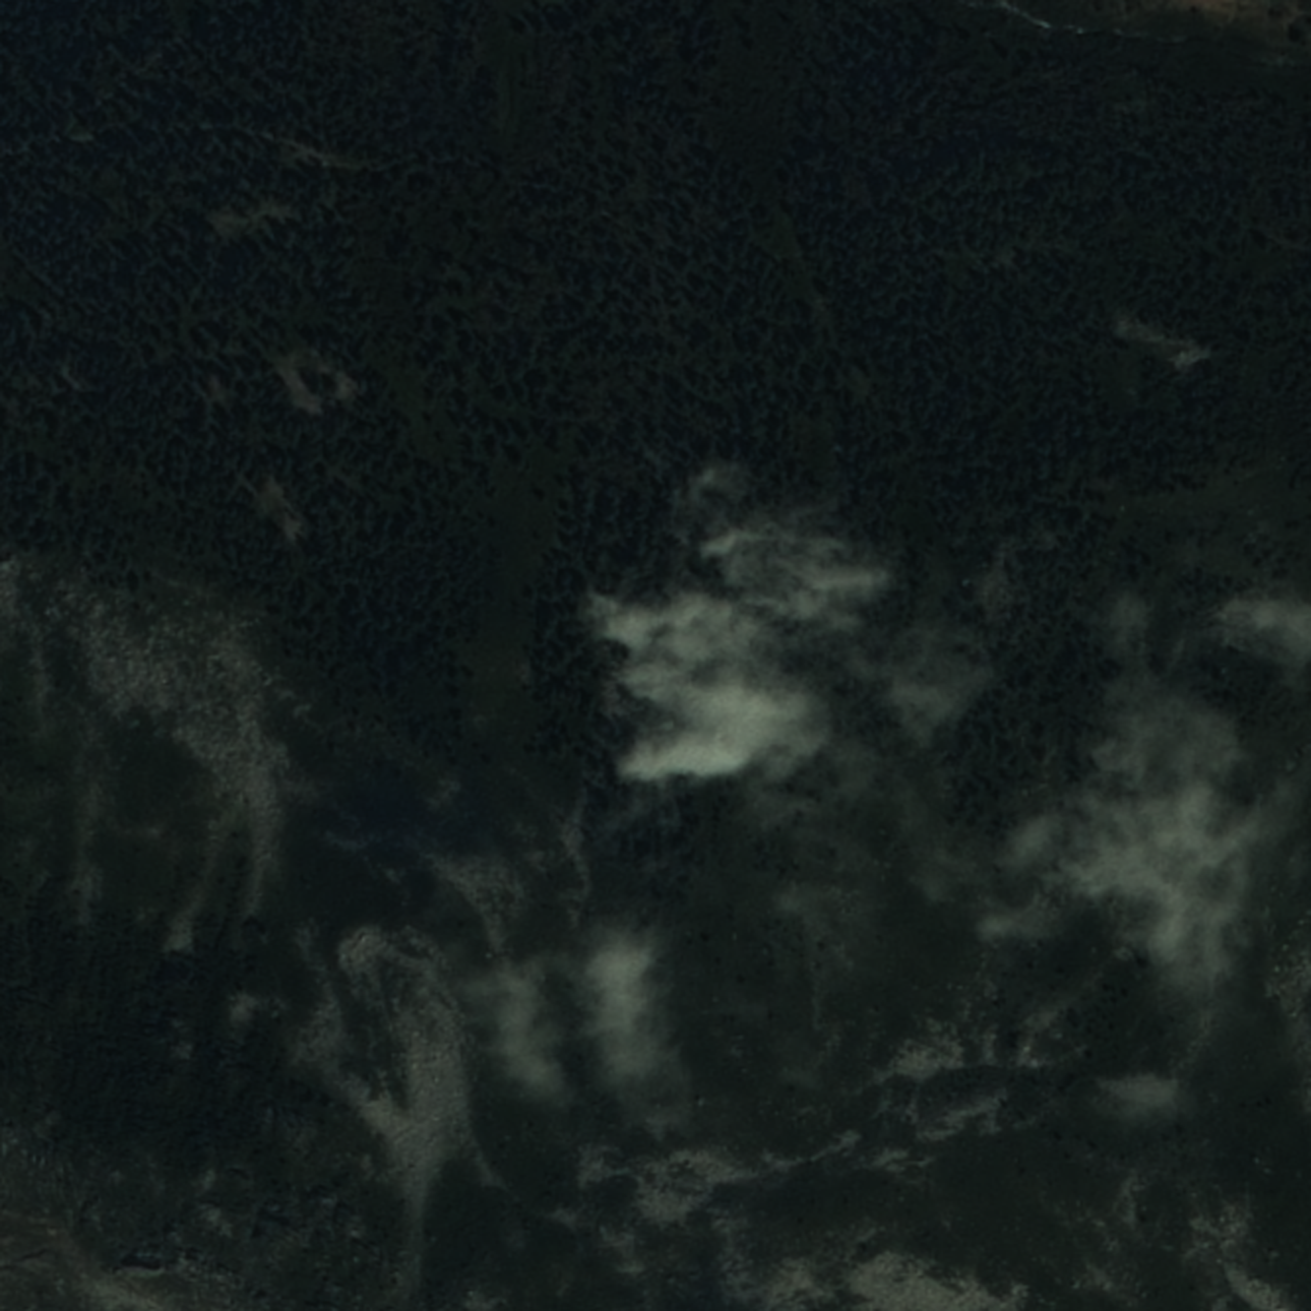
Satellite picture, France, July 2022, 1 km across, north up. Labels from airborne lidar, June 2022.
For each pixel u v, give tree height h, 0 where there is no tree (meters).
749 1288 0
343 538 20
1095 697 14
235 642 0
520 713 0
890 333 20
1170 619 0
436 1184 0
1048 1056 0
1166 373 8
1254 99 6
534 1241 0
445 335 23
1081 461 14
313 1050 0
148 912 0
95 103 23
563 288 6
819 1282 0
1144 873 0
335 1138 0
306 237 29
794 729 11
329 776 0
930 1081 0
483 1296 0
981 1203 0
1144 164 16
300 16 25
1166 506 0
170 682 0
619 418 8
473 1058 0
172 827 0
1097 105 7
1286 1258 0
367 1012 0
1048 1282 0
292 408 17
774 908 0
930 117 7
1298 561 6
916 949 0
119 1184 0
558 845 0
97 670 0
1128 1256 0
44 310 7
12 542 6
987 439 20
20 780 0
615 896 0
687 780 8
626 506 8
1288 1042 0
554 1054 0
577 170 6
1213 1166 0
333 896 0
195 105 23
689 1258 0
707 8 22
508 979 0
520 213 7
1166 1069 0
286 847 0
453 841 0
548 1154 0
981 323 6
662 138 9
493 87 9
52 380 27
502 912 0
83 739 0
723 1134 0
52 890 6
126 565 18
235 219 0
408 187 6
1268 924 0
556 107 8
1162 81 10
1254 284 8
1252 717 7
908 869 0
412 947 0
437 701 0
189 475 11
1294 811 0
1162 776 0
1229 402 7
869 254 22
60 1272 0
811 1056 0
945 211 19
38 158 13
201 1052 6
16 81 7
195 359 7
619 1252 0
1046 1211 0
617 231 6
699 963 0
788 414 22
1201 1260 0
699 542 24
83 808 0
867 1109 0
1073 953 0
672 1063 0
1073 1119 0
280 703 0
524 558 0
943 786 0
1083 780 13
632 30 15
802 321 16
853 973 0
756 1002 0
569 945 0
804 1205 0
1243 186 15
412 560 7
